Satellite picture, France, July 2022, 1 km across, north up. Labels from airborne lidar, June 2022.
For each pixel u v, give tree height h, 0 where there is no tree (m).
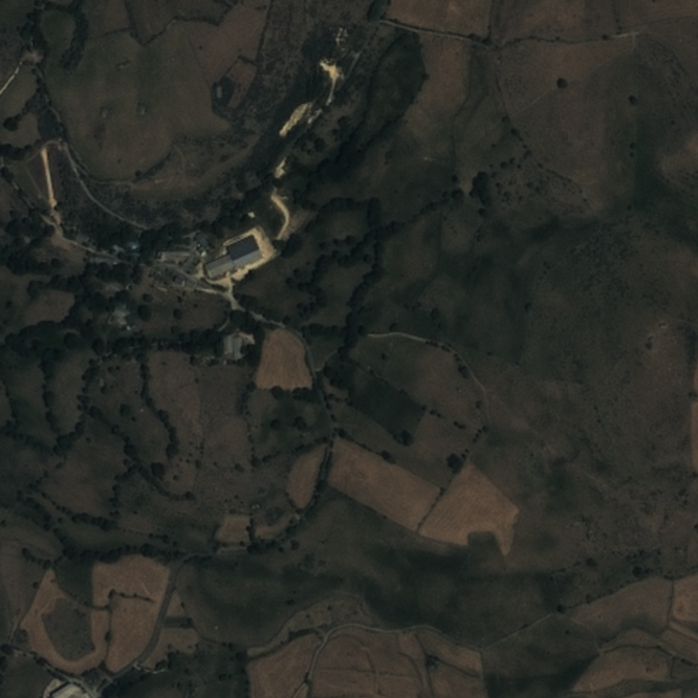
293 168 6
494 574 0
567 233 0
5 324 11
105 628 0
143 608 0
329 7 0
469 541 0
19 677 0
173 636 0
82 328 15
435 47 0
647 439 0
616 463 0
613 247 0
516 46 0
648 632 0
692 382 0
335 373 15
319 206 6
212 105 0
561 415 0
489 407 0
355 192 0
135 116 0
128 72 0
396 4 0
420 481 0
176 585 0
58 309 0
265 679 0
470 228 0
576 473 0
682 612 0
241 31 0
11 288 0
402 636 0
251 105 0
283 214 0
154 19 0
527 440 0
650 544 0
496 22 0
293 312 0
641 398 0
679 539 0
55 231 12
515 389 0
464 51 0
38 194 0
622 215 0
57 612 0
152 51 0
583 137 0
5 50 0
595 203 0
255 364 10
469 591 0
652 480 0
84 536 0
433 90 0
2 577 0
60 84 0
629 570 0
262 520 0
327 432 0
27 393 0
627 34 0
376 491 0
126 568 0
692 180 0
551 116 0
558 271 0
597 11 0
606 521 0
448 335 0
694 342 0
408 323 0
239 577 0
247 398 7
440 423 0
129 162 0
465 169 0
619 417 0
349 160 18
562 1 0
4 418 0
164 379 0
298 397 14
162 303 0
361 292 20
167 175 0
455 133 0
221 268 0
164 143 0
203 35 0
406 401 0
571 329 0
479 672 0
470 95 0
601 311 0
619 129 0
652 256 0
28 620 0
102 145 0
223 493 0
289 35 0
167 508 0
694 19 0
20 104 0
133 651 0
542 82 0
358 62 6
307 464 0
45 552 0
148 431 0
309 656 0
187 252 0
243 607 0
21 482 0
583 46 0
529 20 0
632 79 0
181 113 0
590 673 0
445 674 0
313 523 0
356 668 0
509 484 0
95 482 0
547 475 0
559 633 0
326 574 0
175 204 0
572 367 0
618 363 0
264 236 0
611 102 0
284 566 0
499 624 0
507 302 0
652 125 0
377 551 0
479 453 0
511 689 0
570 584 0
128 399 0
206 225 13
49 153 0
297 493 0
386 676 0
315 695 0
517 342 0
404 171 0
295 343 0
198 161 0
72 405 0
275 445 0
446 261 0
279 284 0
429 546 0
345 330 13
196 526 0
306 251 0
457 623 0
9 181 10
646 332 0
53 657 0
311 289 19
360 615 0
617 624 0
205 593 0
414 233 0
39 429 0
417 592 0
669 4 0
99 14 0
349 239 13
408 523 0
